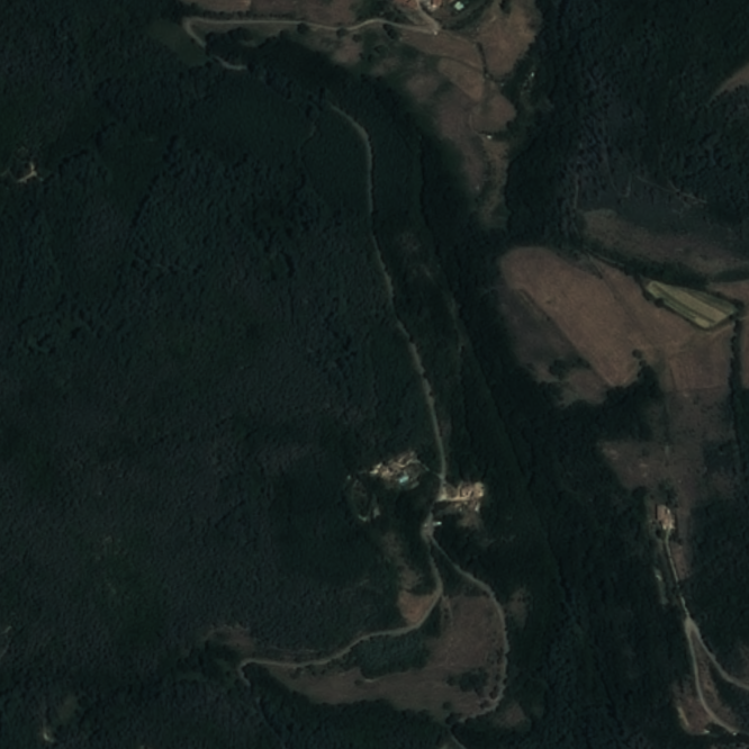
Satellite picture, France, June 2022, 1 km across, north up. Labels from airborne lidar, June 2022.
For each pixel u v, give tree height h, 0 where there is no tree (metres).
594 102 20
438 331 11
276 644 15
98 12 25
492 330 18
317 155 15
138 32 17
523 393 17
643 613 6
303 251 21
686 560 0
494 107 0
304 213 24
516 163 16
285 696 24
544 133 32
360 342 26
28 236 26
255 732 15
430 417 13
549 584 7
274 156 15
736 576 7
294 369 16
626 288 0
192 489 17
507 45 0
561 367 13
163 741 14
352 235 19
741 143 11
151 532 12
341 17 0
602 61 9
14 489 16
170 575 15
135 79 16
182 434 17
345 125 16
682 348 0
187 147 9
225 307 17
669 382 0
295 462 14
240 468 16
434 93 0
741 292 0
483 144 0
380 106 14
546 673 27
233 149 13
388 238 11
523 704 11
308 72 20
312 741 30
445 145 0
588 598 21
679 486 0
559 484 22
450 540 15
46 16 27
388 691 0
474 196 0
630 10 29
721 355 0
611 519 9
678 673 10
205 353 14
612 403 7
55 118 16
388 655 14
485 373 12
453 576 10
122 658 20
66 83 26
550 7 17
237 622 16
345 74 22
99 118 13
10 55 19
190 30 0
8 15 19
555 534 14
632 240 0
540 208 9
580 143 9
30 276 23
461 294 17
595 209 0
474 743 18
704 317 0
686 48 15
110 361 17
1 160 21
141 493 14
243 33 22
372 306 17
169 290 28
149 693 31
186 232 28
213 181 34
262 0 0
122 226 16
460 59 0
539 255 0
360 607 5
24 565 12
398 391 15
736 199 19
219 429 20
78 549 12
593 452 10
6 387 15
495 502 7
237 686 11
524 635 13
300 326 21
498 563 16
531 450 10
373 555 10
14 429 16
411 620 0
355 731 19
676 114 9
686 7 14
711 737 7
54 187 20
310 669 10
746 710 12
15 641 13
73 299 14
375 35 0
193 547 20
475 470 15
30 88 21
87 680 31
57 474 7
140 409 19
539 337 0
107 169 9
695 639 0
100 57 20
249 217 20
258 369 23
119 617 8
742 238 10
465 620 0
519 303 0
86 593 18
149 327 30
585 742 22
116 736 16
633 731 10
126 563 10
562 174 6
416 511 7
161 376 18
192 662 18
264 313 17
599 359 0
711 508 10
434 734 15
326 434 14
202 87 34
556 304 0
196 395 20
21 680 20
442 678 0
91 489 16
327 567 16
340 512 16
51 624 23
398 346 14
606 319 0
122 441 18
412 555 6
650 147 6
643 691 7
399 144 15
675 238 0
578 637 28
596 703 8
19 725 23
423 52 0
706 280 6
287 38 14
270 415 18
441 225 24
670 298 0
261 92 16
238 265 19
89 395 22
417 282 7
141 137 11
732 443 8
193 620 21
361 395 26
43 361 33
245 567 16
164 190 19
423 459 15
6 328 17
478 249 20
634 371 0
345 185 15
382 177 16
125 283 28
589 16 32
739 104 8
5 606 14
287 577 17
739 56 13
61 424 20
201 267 28
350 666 9
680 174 8
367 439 16
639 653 10
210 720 17
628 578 8
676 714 11
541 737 29
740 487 9
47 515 20
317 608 14
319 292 23
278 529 15
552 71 13
